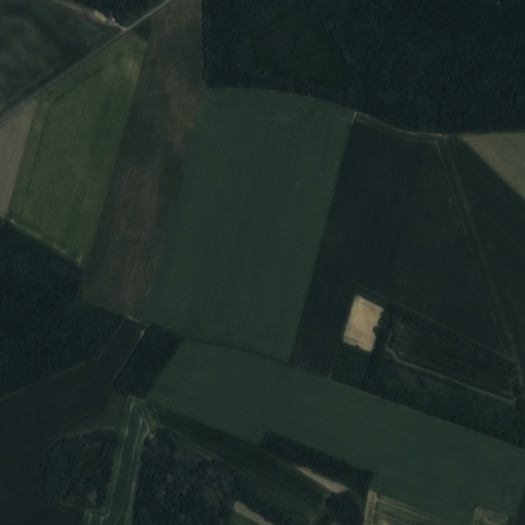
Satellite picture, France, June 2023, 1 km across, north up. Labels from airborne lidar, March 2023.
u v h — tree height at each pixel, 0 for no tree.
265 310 0
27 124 0
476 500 0
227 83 19
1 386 14
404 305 0
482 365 0
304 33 0
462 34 19
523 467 0
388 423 0
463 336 0
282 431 0
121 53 0
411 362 0
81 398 0
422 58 23
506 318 0
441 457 0
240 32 22
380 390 7
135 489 0
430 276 0
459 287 0
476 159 0
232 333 0
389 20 25
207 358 0
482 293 0
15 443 0
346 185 0
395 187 0
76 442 17
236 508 0
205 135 0
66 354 15
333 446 0
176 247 0
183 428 0
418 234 0
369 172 0
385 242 0
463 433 0
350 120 0
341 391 0
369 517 0
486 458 0
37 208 0
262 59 0
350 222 0
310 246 0
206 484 28
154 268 0
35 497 0
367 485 13
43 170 0
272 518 19
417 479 0
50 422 0
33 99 0
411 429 0
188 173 0
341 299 0
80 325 18
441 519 0
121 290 0
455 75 19
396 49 22
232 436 0
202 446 0
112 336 16
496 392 0
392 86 19
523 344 0
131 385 21
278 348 0
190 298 0
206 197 0
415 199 0
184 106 0
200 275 0
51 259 21
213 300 0
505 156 0
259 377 0
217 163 0
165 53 0
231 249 0
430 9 18
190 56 0
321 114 0
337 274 0
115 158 0
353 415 0
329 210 0
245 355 0
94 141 0
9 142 0
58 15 0
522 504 0
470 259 0
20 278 22
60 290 13
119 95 0
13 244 22
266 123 0
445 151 0
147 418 0
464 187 0
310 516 0
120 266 0
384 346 17
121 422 0
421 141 0
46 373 7
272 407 0
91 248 0
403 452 0
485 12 18
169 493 24
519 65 24
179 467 20
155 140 0
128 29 0
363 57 20
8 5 0
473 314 0
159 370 19
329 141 0
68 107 0
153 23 0
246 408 0
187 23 0
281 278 0
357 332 0
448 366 0
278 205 0
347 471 14
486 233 0
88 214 0
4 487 0
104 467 19
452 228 0
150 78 0
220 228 0
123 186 0
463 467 0
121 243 0
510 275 0
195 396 0
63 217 0
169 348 15
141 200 0
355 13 16
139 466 0
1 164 0
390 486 0
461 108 16
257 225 0
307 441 0
